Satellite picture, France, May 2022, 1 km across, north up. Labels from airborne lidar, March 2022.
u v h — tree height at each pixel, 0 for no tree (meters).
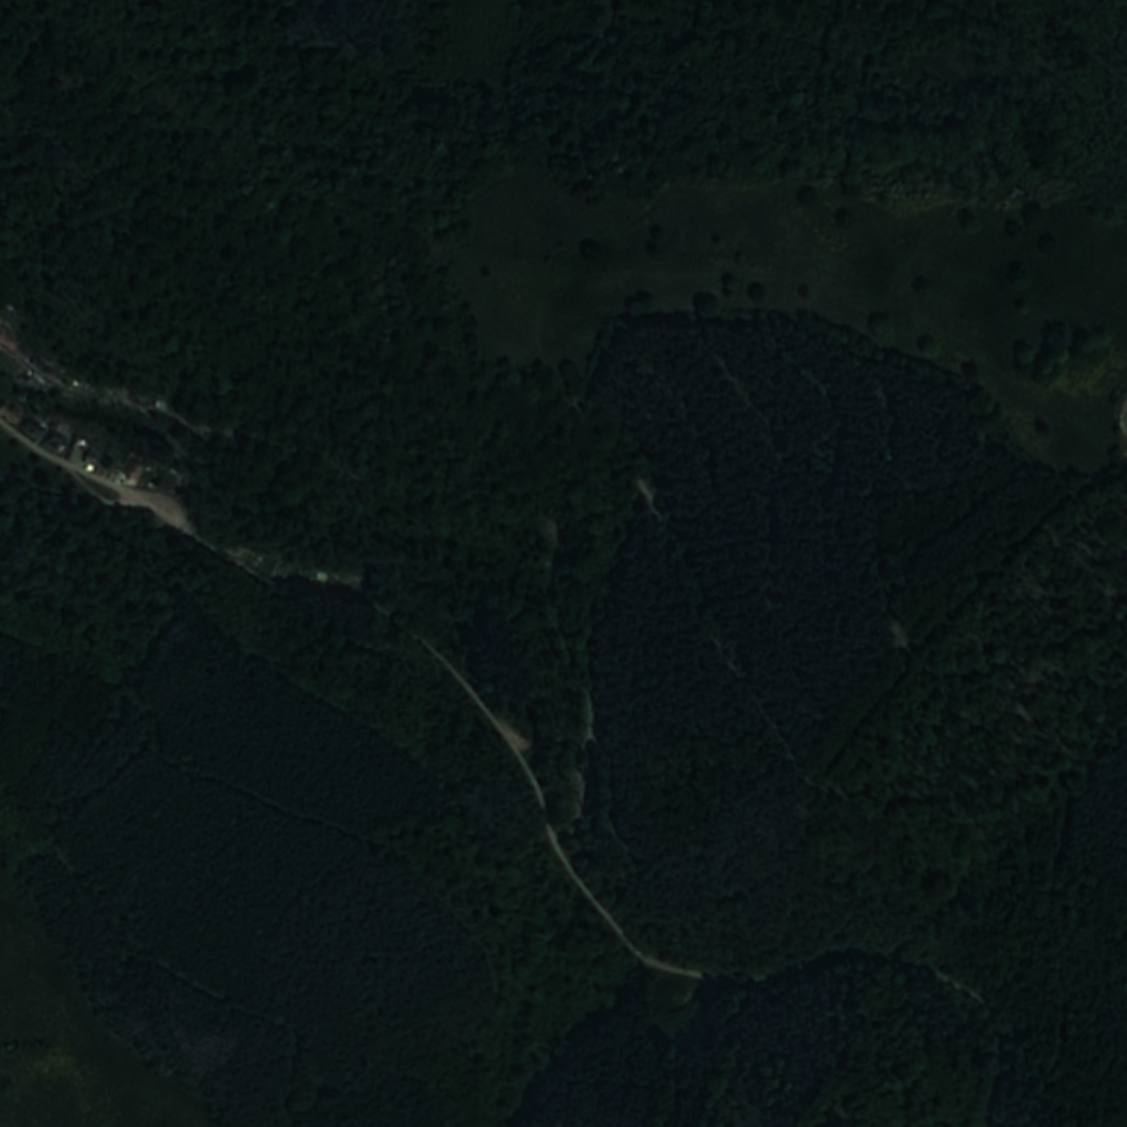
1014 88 30
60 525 25
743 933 22
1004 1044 22
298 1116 24
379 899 24
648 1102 27
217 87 17
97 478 0
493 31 0
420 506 23
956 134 19
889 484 23
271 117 8
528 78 14
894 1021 28
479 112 8
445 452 13
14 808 13
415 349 8
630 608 26
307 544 20
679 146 8
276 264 11
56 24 15
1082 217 0
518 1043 8
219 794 19
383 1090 22
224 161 8
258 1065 23
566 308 0
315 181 11
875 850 28
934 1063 15
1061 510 20
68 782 19
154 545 19
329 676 21
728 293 10
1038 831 11
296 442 19
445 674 8
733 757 19
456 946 24
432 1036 21
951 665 24
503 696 31
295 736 20
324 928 23
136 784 22
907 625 8
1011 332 0
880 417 27
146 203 15
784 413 29
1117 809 20
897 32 19
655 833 31
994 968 15
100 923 18
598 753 22
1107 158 19
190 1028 21
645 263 0
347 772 20
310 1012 23
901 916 21
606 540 10
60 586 22
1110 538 21
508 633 21
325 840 20
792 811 19
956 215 0
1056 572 25
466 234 9
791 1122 32
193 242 12
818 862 8
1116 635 27
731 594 25
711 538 30
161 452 33
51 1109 0
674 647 26
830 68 11
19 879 14
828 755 15
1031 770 13
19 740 19
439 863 14
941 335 0
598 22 23
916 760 28
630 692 29
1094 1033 14
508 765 22
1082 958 15
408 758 13
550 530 0
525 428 10
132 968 19
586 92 19
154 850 19
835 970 27
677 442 27
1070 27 24
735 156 8
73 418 10
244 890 20
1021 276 18
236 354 8
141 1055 9
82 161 20
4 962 0
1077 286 0
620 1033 26
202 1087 15
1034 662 23
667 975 0
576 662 17
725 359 25
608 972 21
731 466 27
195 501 19
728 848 24
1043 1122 28
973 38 20
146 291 15
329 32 26
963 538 20
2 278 18
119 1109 0
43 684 15
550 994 11
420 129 20
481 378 10
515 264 0
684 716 28
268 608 22
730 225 0
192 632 22
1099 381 0
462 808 28
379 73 8
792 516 30
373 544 23
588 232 0
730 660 15
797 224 0
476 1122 19
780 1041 33
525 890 9
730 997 26
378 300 7
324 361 17
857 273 0
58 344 14
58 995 0
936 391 26
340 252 6
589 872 26
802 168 8
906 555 9
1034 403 0
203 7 6
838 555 23
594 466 14
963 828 25
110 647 7
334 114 17
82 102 14
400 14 21
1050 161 19
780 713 27
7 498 18
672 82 7
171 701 19
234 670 21
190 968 21
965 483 12
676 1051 29
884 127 6
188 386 12
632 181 12
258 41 11
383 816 20
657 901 23
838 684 24
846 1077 31
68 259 20
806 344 27
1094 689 27
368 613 29
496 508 19
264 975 26
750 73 9
